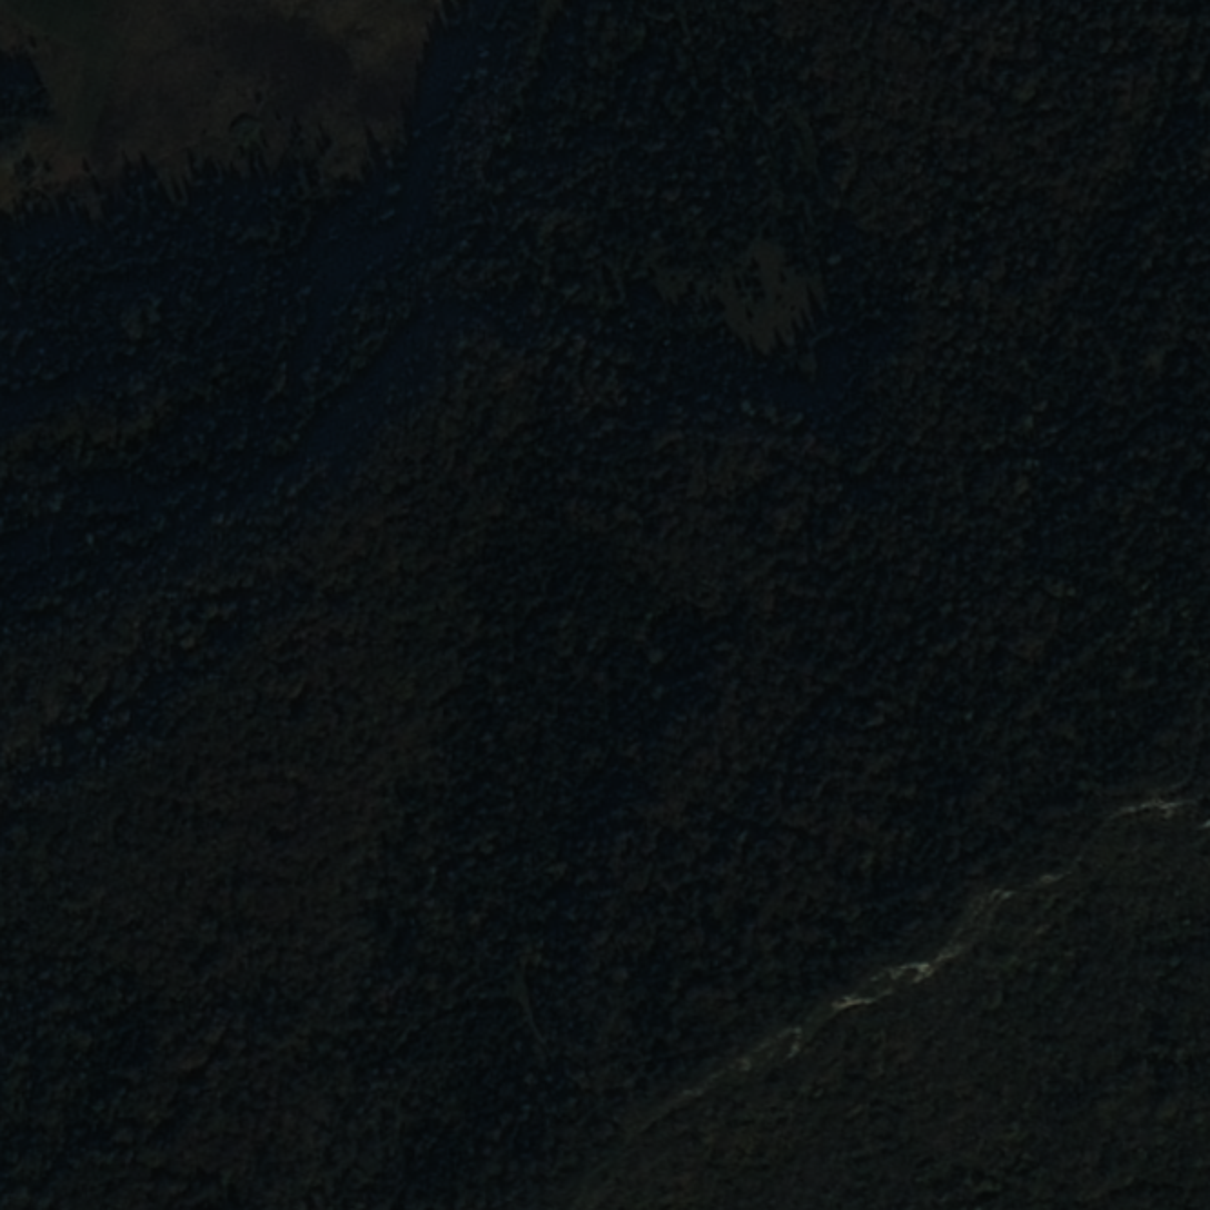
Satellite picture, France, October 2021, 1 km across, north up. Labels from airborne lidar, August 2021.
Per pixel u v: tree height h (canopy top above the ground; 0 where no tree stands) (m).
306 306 9
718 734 19
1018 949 18
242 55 0
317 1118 19
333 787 16
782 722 19
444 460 19
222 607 24
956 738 20
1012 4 14
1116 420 24
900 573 13
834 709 20
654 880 19
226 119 0
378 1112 6
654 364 25
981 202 12
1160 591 14
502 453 16
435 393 17
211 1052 11
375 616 20
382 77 0
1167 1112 21
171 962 18
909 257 20
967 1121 16
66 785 26
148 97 0
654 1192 20
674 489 21
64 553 32
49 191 7
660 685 24
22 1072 13
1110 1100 15
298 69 0
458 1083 8
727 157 22
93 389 27
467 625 24
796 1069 16
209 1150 23
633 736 22
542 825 19
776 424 20
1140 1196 23
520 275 8
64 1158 19
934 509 12
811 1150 16
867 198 24
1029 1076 19
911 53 20
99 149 0
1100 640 18
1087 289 19
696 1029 13
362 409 21
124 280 9
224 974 20
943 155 17
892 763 14
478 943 19
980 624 19
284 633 21
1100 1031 21
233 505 30
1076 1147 15
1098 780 11
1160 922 10
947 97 11
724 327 7
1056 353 24
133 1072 25
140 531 30
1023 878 13
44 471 29
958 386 19
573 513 13
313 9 0
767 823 20
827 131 25
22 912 15
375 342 29
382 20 0
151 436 6
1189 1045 19
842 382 31
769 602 16
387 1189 17
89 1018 20
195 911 18
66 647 14
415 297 23
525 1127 22
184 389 25
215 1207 7
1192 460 22
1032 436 23
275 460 23
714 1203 15
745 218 13
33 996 18
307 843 21
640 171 23
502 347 24
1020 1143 8
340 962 9
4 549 17
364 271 33
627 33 19
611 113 17
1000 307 24
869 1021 17
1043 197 12
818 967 21
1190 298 19
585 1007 13
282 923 19
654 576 24
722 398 28
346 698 21
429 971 10
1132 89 16
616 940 15
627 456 21
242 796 20
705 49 21
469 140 25
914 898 23
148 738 31
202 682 26
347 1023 17
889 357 23
